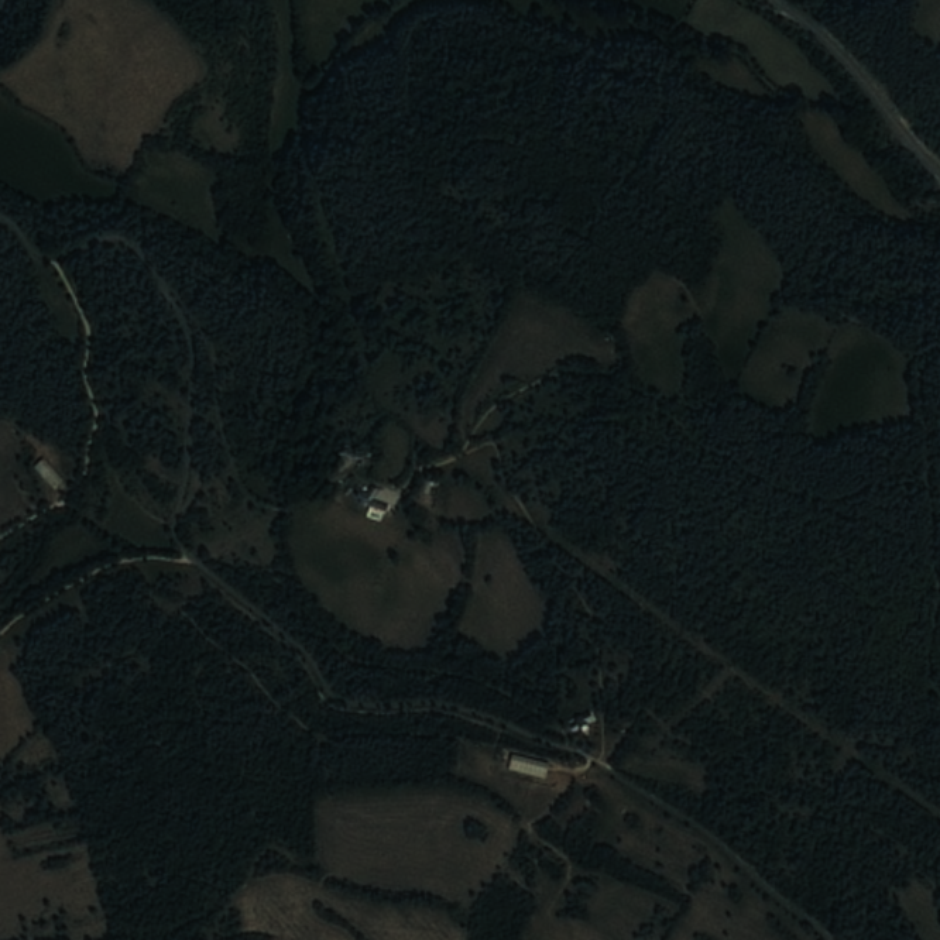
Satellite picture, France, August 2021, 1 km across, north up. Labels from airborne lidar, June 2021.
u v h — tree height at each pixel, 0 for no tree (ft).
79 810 21
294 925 0
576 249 35
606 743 0
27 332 65
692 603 33
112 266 36
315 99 63
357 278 47
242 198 42
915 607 35
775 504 45
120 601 29
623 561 28
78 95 0
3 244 50
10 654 0
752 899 0
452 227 34
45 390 64
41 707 45
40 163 0
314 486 51
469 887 0
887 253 63
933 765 35
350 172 42
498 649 0
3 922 0
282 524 33
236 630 28
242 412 43
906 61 55
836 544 27
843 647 50
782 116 66
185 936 26
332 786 31
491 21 54
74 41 0
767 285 0
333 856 0
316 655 24
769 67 0
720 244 26
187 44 0
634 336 0
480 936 29
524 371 0
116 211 33
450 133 36
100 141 0
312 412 59
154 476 26
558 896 0
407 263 51
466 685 37
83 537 0
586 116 66
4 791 29
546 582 49
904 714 58
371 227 44
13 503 0
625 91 65
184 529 36
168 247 58
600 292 36
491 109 32
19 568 33
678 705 25
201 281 38
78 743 46
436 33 41
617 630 24
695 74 45
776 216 55
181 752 17
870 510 60
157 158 0
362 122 42
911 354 34
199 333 51
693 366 35
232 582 34
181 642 28
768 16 21
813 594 47
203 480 29
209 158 44
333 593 0
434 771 26
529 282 29
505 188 44
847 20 31
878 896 31
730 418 61
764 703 26
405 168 26
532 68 34
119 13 0
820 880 23
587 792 24
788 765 25
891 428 50
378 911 0
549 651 35
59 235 45
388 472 0
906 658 25
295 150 51
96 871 25
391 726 18
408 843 0
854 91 37
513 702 30
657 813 0
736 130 49
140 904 30
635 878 27
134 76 0
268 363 68
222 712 21
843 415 0
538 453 25
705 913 0
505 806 31
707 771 21
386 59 69
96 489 31
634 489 23
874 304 35
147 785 35
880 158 61
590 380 33
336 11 0
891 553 35
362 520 0
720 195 57
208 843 19
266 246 0
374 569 0
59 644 60
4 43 24
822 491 67
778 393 0
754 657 18
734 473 38
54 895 0
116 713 38
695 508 45
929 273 34
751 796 18
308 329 30
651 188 39
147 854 22
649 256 31
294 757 30
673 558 33
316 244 58
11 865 0
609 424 21
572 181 31
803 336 0
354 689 45
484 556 0
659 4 0
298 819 29
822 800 30
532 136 34
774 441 52
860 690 40
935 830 36
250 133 29
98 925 0
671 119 57
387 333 29
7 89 19
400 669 30
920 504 51
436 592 0
